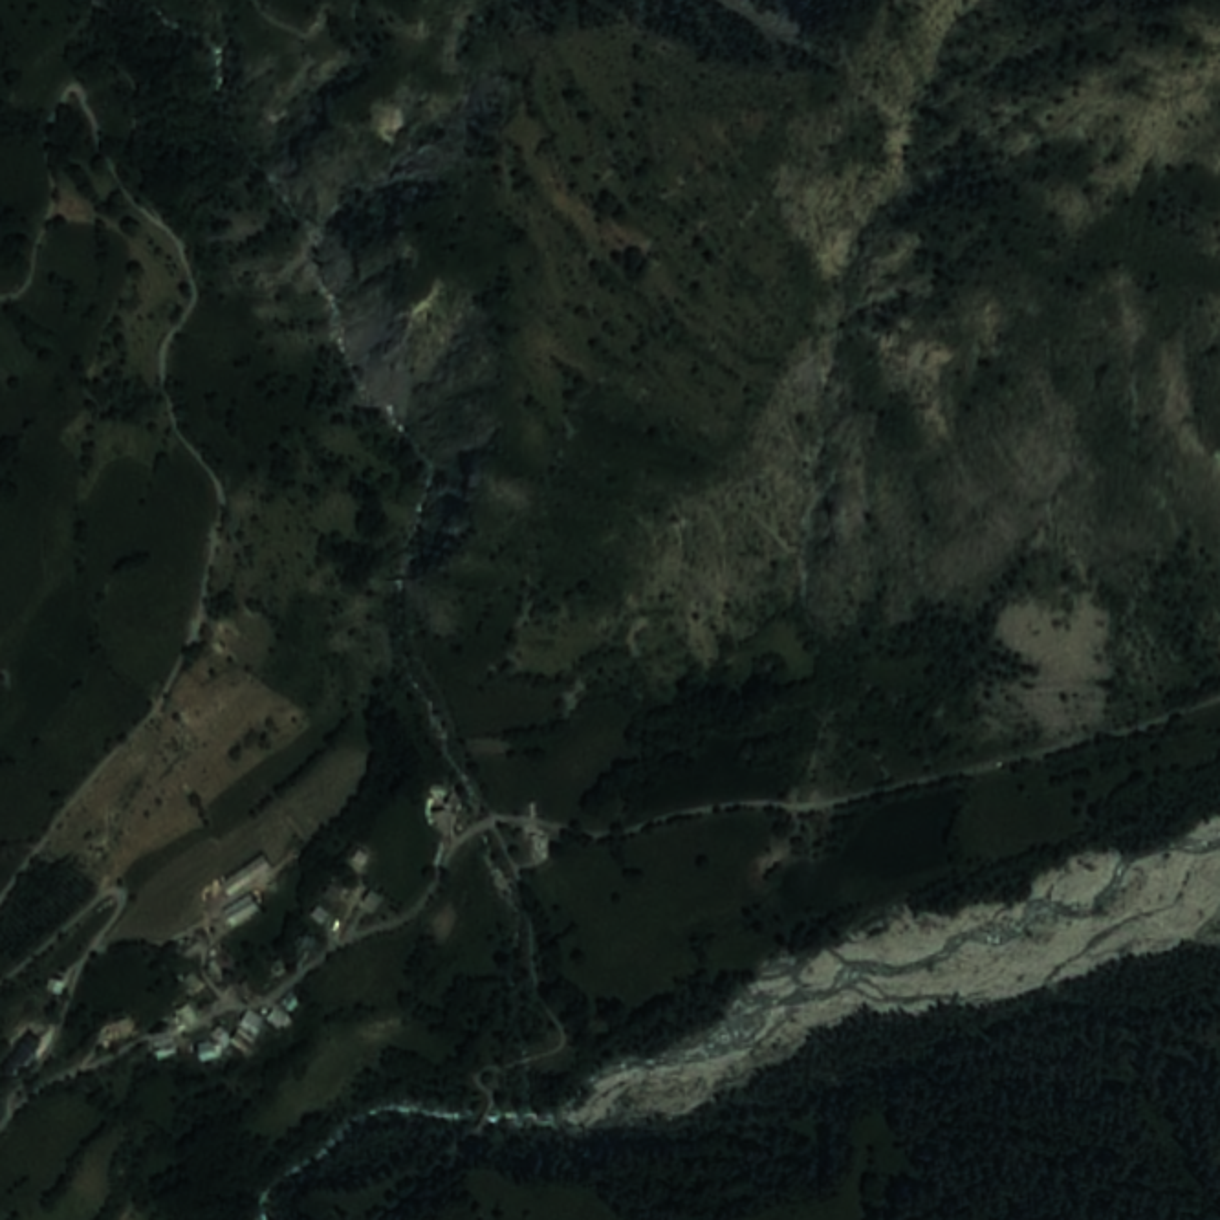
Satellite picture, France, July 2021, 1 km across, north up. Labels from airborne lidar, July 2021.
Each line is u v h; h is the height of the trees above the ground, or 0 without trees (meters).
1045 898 0
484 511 0
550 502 0
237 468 0
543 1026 11
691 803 0
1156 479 6
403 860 0
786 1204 10
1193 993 11
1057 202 0
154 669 0
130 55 21
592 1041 17
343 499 0
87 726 0
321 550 9
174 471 0
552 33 8
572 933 9
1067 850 8
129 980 0
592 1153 12
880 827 0
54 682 0
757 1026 0
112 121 0
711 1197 11
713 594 0
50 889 7
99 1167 0
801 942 13
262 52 0
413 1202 13
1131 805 10
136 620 0
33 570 0
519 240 14
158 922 0
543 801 0
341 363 8
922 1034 12
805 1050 8
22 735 0
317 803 0
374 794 20
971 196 12
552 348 0
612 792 19
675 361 0
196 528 0
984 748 0
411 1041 0
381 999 0
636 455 0
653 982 0
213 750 0
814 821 8
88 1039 8
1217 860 0
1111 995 10
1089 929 0
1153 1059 22
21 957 11
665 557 0
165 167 21
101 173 12
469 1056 20
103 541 0
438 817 0
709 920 0
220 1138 28
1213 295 0
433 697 6
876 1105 12
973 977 0
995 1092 14
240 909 0
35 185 0
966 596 7
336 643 0
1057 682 0
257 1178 20
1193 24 0
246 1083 6
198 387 0
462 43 6
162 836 0
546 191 0
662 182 0
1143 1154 31
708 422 0
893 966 0
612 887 0
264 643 0
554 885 0
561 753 0
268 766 0
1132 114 0
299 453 8
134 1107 15
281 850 0
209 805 0
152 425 9
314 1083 0
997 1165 10
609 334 6
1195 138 0
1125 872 0
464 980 9
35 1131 0
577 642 0
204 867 0
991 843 0
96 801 0
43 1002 0
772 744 12
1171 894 0
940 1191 20
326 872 14
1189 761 0
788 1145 10
